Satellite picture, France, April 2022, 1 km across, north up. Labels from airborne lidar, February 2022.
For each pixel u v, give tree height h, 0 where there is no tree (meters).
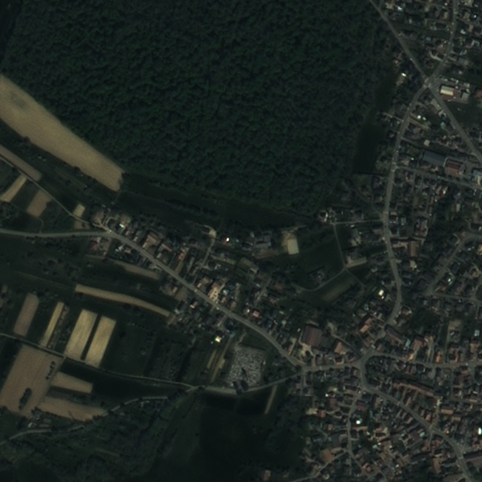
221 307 0
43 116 0
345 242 0
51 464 14
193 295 8
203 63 21
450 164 0
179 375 0
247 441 0
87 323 0
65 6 28
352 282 0
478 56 0
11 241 0
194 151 26
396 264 0
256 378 0
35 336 0
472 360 0
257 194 16
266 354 0
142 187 0
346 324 0
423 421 0
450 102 0
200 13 13
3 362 0
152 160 25
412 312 0
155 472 0
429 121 14
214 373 0
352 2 23
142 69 26
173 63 25
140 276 0
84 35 18
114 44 27
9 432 0
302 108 25
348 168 20
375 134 0
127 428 0
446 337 0
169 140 19
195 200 0
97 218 0
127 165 23
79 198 0
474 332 0
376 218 0
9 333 0
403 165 0
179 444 0
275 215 0
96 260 0
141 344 0
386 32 21
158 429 21
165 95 23
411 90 12
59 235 0
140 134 22
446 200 10
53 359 0
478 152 0
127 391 0
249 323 0
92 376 0
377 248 0
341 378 0
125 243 0
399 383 0
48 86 21
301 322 0
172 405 11
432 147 5
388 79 0
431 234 6
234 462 0
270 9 28
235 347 0
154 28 17
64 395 0
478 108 0
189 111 24
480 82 0
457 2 0
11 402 0
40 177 0
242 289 0
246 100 25
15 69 24
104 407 9
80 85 27
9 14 0
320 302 0
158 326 0
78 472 11
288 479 0
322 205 9
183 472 0
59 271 0
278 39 24
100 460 18
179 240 17
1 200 0
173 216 0
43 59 28
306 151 26
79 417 0
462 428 0
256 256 0
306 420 10
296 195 24
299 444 0
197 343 0
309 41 16
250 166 24
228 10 32
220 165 25
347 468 0
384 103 0
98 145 20
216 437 0
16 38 24
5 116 0
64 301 0
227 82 29
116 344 0
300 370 15
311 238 0
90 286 0
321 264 0
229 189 22
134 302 0
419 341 0
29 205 0
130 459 19
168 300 0
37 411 10
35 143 0
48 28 29
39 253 0
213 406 0
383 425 0
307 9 23
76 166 0
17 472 0
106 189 0
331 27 27
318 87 26
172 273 0
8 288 0
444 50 0
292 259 0
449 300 0
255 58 22
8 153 0
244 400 0
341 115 29
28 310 0
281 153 13
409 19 9
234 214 0
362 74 27
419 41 0
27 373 0
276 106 27
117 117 9
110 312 0
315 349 0
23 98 0
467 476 0
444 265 0
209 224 0
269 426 0
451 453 0
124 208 0
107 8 28
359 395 0
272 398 0
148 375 0
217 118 23
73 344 0
